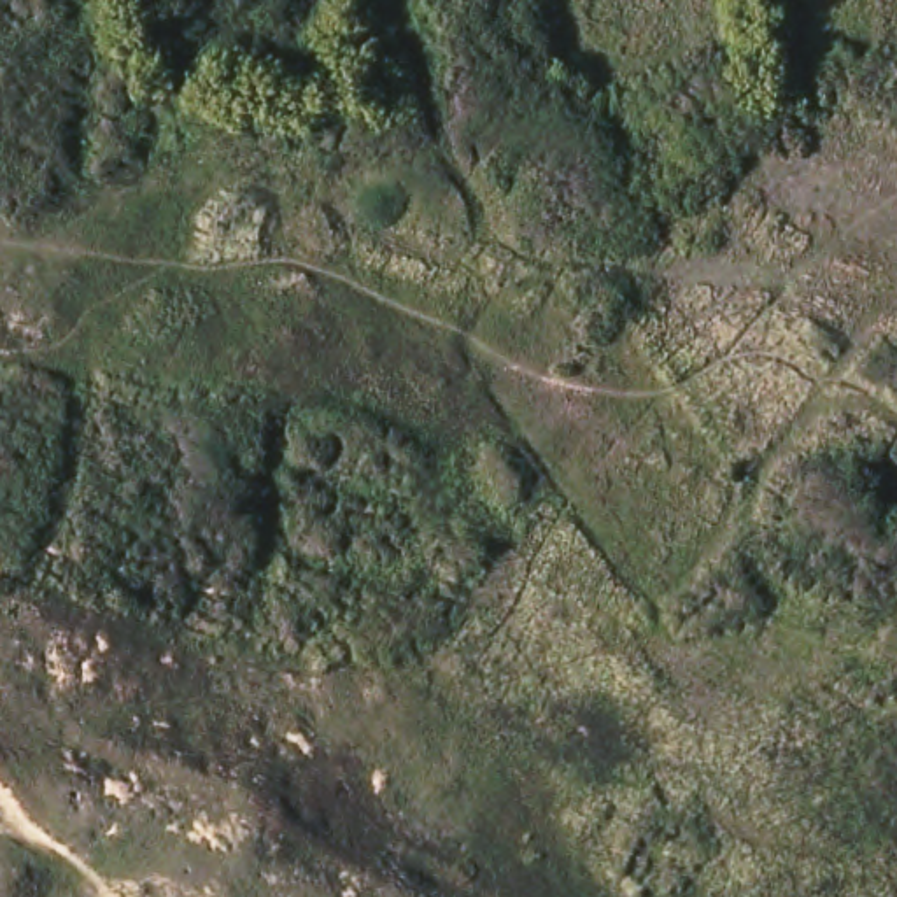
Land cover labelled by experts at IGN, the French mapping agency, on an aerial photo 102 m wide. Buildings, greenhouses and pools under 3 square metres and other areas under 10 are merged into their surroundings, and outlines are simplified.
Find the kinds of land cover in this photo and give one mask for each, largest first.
<instances>
[{"label":"herbaceous vegetation","instance_id":"1","mask_svg":"<svg viewBox=\"0 0 897 897\"><path fill-rule=\"evenodd\" d=\"M718 0H575L571 18L578 25V42L606 56L613 70L606 91L610 112L624 119L631 144L648 147L655 158L666 154L669 161L687 168V175H697V161L683 151V116L697 98L711 116L725 112L722 81L729 53L718 42L715 25ZM785 7L781 21L767 28V35L778 42V63L785 67L778 98L795 102L799 123L820 130V151L813 158H760V165L736 189L732 203H708L701 217H680L662 252L631 259V273L662 277L669 291L652 305L645 319L627 326L620 343H596L589 336V319L603 315L610 305L603 298H589L585 305L578 301L564 238L543 231V207L529 193V172L519 168L515 186L501 193V186L491 175V161L498 158V151L487 147L480 151V161H473L463 140L452 147L445 133L431 140L420 130L417 109L406 102H399L389 112L378 109L382 130L371 140L347 137L343 130L333 137L308 130L305 137L263 140V133L245 137L242 130L221 133L210 126L203 140L186 147L161 151L154 144L147 154V175L137 189L112 186L102 175V168L91 175L84 172L70 189L67 210L46 217V238H25L21 228L7 214H0V575L21 568V557L32 540L49 547L60 533L67 491L77 473V441L84 413L98 427L109 420V403H123L140 420V431L161 434V420L179 410V399H193V389H207L210 403H224L228 389H238L242 396H266V389H277L284 392L291 413L319 406L326 413H340L350 424H368L378 434L396 438L431 473L441 470V459L452 449L466 445V438L477 434L484 445L473 463V491L480 494V501L491 505V512L505 508L515 494L522 501H536L540 473L550 470L568 501H575L585 522L596 529L603 550L596 554L571 526H557L554 533L533 529V540L543 543V550L536 554V568L526 571V561L512 550V536L494 529L480 543L484 568H491V582L473 592L470 620L438 648L434 659L392 666L385 676L357 673L354 662L343 673H326L322 690L312 697L291 694L284 687V676L266 683V676L256 666H249L238 676V697H224L210 687L207 662L193 659V652L186 648L179 655H144L123 680L112 683L109 694L98 697L91 680L105 652L95 645V638H84L77 631H56L49 620H42L39 606L25 603L18 592L7 596L0 589V781L18 795L25 813L42 830L84 851L105 879H133L140 890L137 897H897V508L883 515L879 540L869 536L872 498L862 491L855 456L897 459V0H767ZM350 179L364 186H382L392 196H406L410 210L392 228L354 224L347 214ZM217 189H228L235 196L242 193L256 200V207L263 210L256 238L259 252L245 263H200L189 256L196 210ZM729 519L739 526L732 554L715 575H708L701 592L676 603V624L694 620L697 631L683 645L655 641L648 634V620H659L655 599L669 585L690 578L694 564L701 561V554L711 550ZM224 816H245V841H224L221 848H210L189 837L196 820L221 823ZM88 105L81 102L67 112L60 130V151L70 165L84 158ZM287 420L280 413H266L263 452L256 459L245 494L235 501V515L252 526L256 547L273 557L280 540V491L273 480L284 456ZM0 897H88L77 869L67 865L60 855L28 844L18 834H0Z\"/></svg>","mask_w":897,"mask_h":897},{"label":"brushwood","instance_id":"2","mask_svg":"<svg viewBox=\"0 0 897 897\"><path fill-rule=\"evenodd\" d=\"M785 7L767 0H718L715 25L718 42L729 53L722 81L725 112L711 116L697 98L683 116V151L697 161V175H687V168L669 161L666 154L655 158L648 147L631 144L627 154L613 158L610 147L599 140V119L610 112L606 91L592 88L582 74H568L561 67L547 39L536 32L526 0H0V214H7L21 228L25 238H46V217L67 210L70 189L84 172L91 175L102 168V175L112 186L137 189L147 175V154L154 144L161 151L186 147L203 140L210 126L221 133L242 130L245 137L263 133V140L305 137L308 130L333 137L343 130L347 137L371 140L382 130L378 109L389 112L399 102H406L417 109L420 130L431 140L445 133L452 147L463 140L473 161H480V151L487 147L498 151V158L491 161V175L501 186V193L515 186L519 168L529 172V193L543 207V231L564 238L578 301L585 305L589 298H603L610 305L603 315L589 319V336L596 343H620L627 326L645 319L652 305L669 291L662 277L631 273V259L662 252L680 217H701L708 203H732L736 189L760 165V158H813L820 151V130L799 123L795 102L778 98L785 67L778 63V42L767 35V28L781 21ZM81 102L88 105L84 158L70 165L60 151V130L67 112ZM410 210L406 196H392L382 186H364L350 179L347 214L354 224L392 228ZM263 210L256 207V200L242 193L235 196L228 189H217L196 210L189 256L200 263H245L259 252L256 238ZM266 413H280L287 420L284 456L273 480L280 491V540L273 557L256 547L252 526L235 515V501L245 494L256 459L263 452ZM484 445L477 434L466 438V445L452 449L441 459V470L431 473L396 438L378 434L368 424H350L340 413H326L319 406L291 413L284 392L277 389H266V396H242L238 389H228L224 403H210L207 389H193V399H179V410L161 420V434L140 431V420L123 403H109V420L98 427L84 413L77 441V473L67 491L60 533L49 547L32 540L21 557V568L0 575V589L7 596L18 592L25 603L39 606L42 620H49L56 631H77L84 638H95V645L105 652L91 680L98 697L109 694L112 683L123 680L144 655H179L186 648L193 652V659L207 662L210 687L224 697H238V676L249 666H256L266 676V683L284 676H305V648L319 652L326 673H343L354 662L357 673L385 676L392 666L434 659L438 648L470 620L473 592L491 582V568H484L480 543L494 529L512 536V550L526 561V571L536 568V554L543 550V543L533 540V529L554 533L557 526H571L596 554L603 550L596 529L585 522L575 501H568L550 470L540 473L536 501H522L515 494L505 508L491 512V505L480 501V494L473 491V463ZM862 491L872 498L869 536L879 540L883 515L897 508V459L855 456Z\"/></svg>","mask_w":897,"mask_h":897},{"label":"bare soil","instance_id":"3","mask_svg":"<svg viewBox=\"0 0 897 897\"><path fill-rule=\"evenodd\" d=\"M536 32L547 39L561 67L568 74H582L592 88L606 91L613 70L606 56L578 42V25L571 18L575 0H526ZM599 140L610 147L613 158L627 154L631 144L624 119L610 112L599 119ZM305 676H284V687L291 694L312 697L322 690L326 673L319 652L305 648ZM245 816H224L221 823L196 820L189 837L210 848H221L224 841H245Z\"/></svg>","mask_w":897,"mask_h":897},{"label":"pervious surface","instance_id":"4","mask_svg":"<svg viewBox=\"0 0 897 897\"><path fill-rule=\"evenodd\" d=\"M739 526L729 519L711 550L701 554V561L694 564L690 578L669 585L655 599L659 620H648V634L655 641L683 645L697 631L694 620L676 624V603L701 592L708 575H715L732 554ZM0 834H18L28 844L60 855L67 865L77 869L88 897H137L140 890L133 879H105L84 851L42 830L25 813L18 795L0 781Z\"/></svg>","mask_w":897,"mask_h":897}]
</instances>
